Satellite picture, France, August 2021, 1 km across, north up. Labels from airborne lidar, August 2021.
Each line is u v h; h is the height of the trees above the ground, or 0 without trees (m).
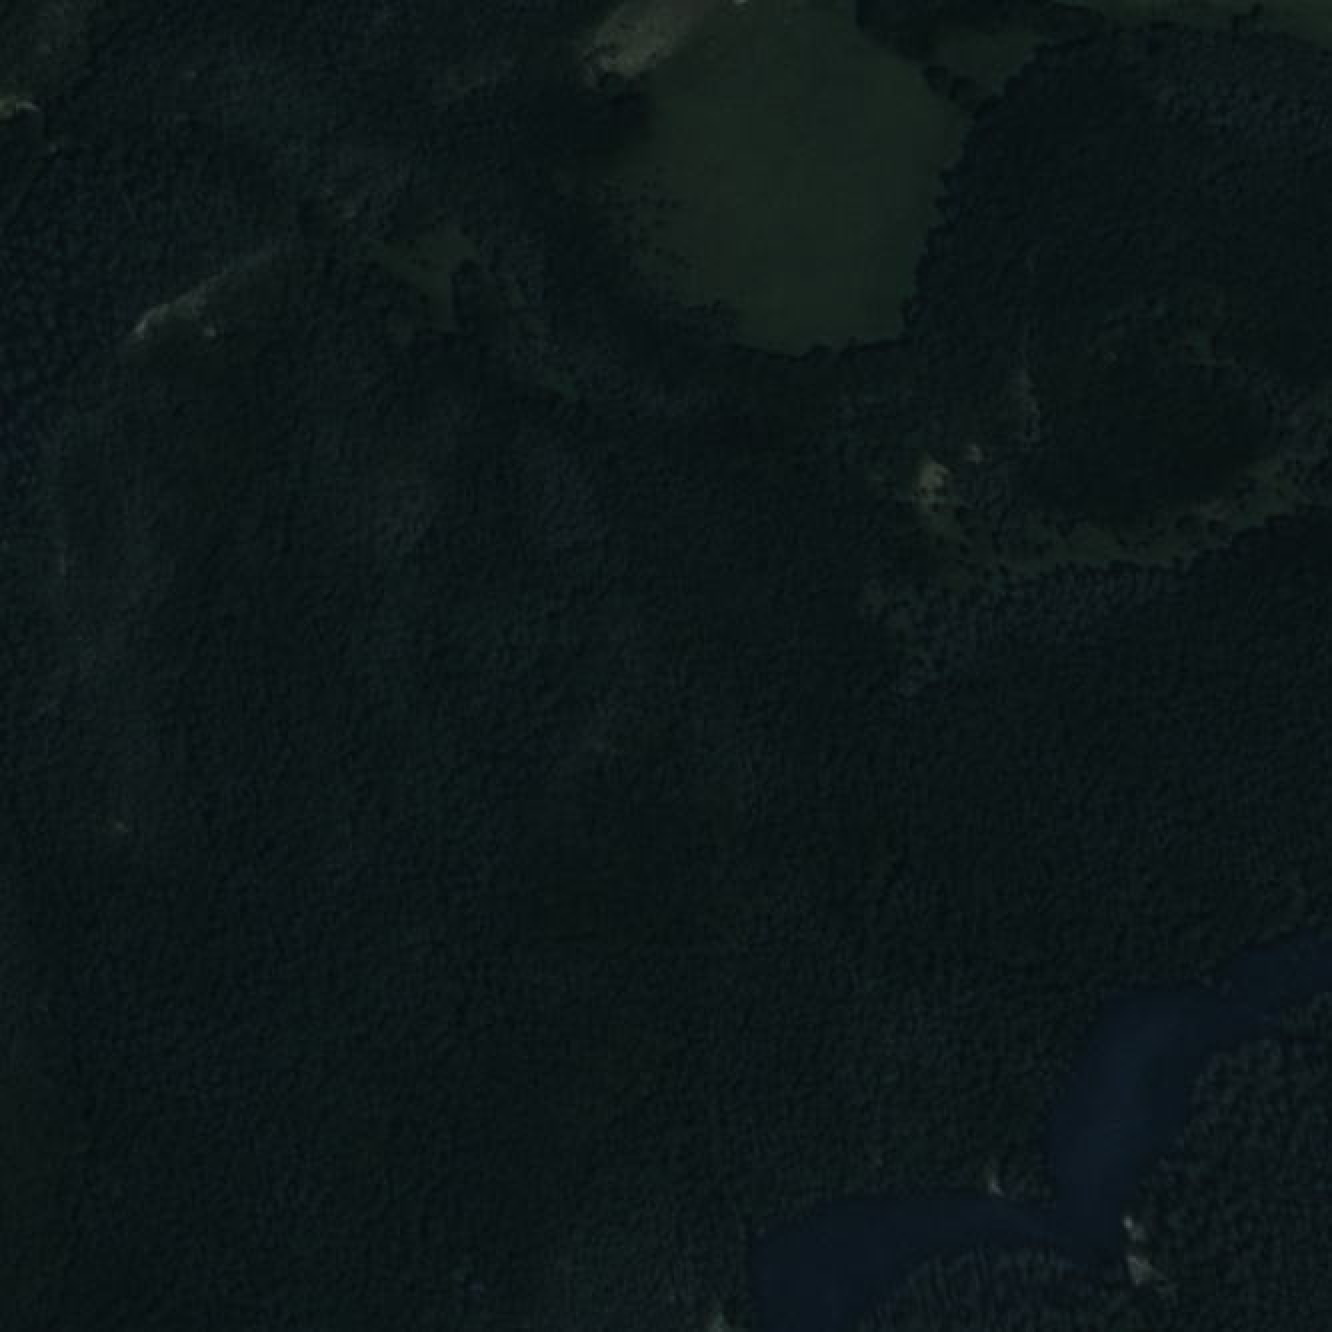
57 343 23
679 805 19
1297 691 21
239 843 19
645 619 18
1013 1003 17
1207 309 11
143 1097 20
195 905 19
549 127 24
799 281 0
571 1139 17
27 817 26
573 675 20
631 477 19
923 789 21
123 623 13
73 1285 20
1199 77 7
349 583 16
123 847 10
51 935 23
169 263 13
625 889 17
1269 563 23
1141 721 18
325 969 21
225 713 19
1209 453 20
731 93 0
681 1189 20
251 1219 22
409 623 13
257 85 10
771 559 21
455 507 21
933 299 17
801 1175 18
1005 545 13
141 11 16
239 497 19
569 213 21
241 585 17
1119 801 19
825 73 0
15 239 10
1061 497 19
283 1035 25
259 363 18
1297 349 16
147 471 16
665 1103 19
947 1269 12
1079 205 16
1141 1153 0
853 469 12
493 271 6
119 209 20
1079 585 14
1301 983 20
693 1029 24
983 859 24
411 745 15
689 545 15
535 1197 20
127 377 9
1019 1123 21
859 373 17
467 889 20
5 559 10
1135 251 20
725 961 18
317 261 13
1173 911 24
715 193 0
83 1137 17
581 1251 15
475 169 17
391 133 20
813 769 19
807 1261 10
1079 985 22
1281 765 21
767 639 18
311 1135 19
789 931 19
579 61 8
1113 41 14
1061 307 17
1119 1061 0
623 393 16
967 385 12
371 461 15
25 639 22
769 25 0
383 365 17
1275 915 16
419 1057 17
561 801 12
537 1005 18
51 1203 18
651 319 16
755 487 27
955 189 17
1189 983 16
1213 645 20
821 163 0
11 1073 11
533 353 6
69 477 13
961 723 22
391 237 12
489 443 22
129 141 19
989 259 16
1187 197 14
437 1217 23
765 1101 21
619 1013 20
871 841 21
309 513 20
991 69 0
